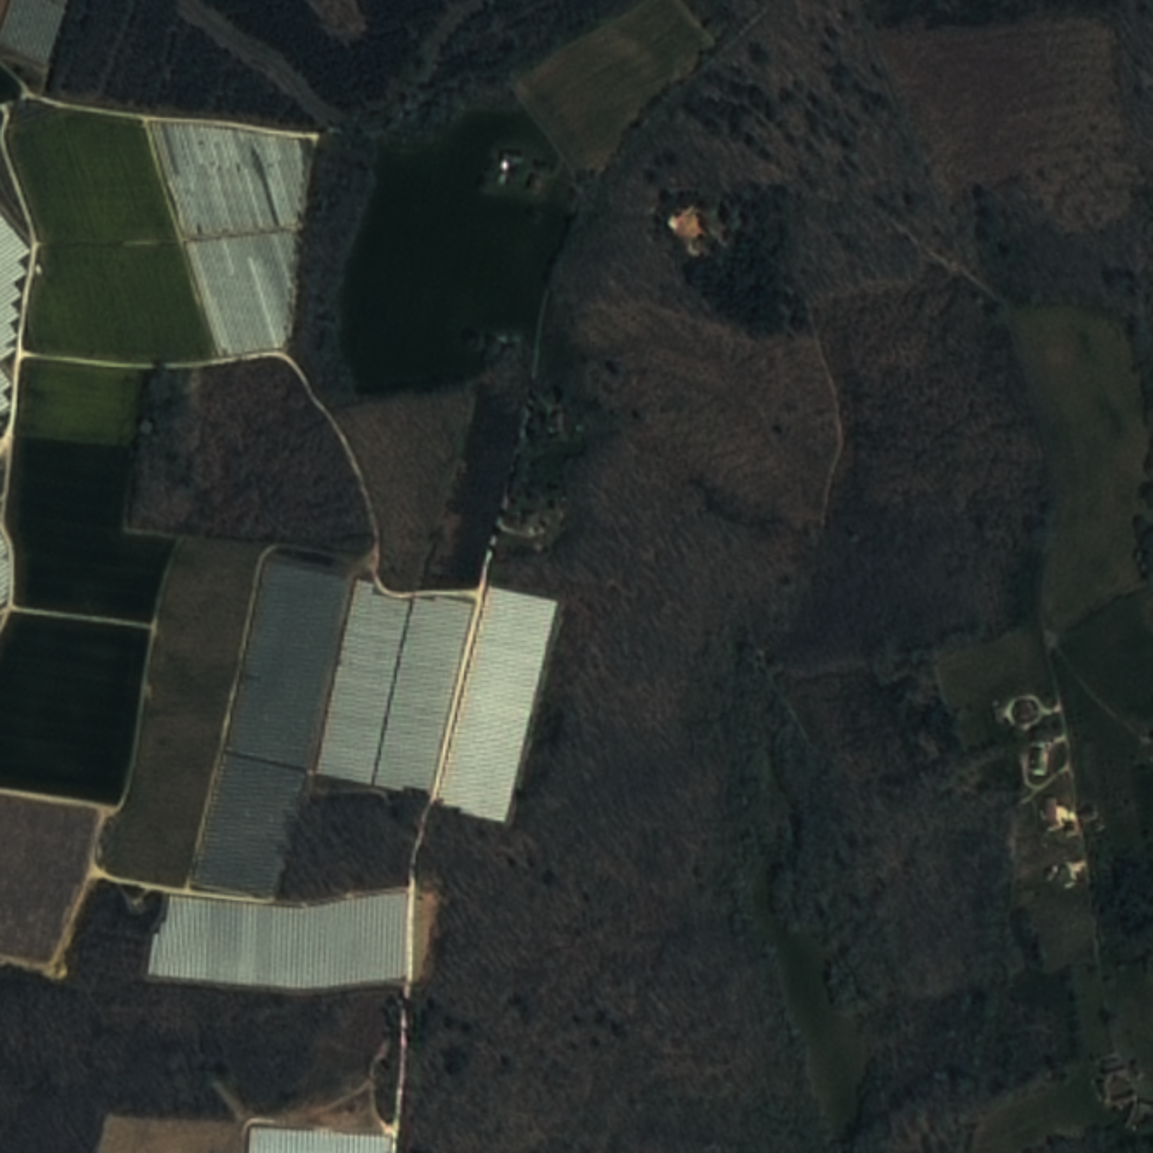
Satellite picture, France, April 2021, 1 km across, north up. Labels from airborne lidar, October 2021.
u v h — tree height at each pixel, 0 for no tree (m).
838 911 17
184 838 0
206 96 11
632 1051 11
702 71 13
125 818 0
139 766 0
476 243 0
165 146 0
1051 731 8
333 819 15
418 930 0
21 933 0
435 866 11
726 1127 21
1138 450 0
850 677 7
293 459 7
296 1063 7
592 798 20
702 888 17
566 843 12
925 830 20
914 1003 8
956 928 15
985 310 7
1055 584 0
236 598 0
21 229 0
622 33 0
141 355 0
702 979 14
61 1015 7
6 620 0
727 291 15
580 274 10
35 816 0
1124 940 8
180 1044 9
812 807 22
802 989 0
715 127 14
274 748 0
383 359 0
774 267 12
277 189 0
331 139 13
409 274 0
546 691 0
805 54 14
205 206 0
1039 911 0
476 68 13
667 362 6
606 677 17
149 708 0
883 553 10
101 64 11
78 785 0
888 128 14
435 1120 15
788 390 6
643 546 13
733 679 15
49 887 0
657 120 13
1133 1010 0
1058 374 0
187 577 0
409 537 18
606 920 7
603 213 9
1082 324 0
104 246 0
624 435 11
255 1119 0
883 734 7
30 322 0
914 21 0
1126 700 0
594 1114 13
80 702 0
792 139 13
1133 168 20
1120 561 0
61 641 0
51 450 0
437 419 22
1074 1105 0
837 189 15
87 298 0
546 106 0
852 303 7
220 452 7
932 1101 22
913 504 10
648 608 12
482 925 13
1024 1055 10
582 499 12
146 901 7
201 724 0
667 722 14
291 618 0
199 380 0
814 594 11
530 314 0
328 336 13
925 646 14
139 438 7
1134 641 0
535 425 6
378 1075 12
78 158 0
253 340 0
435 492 21
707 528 13
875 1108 6
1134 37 14
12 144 0
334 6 10
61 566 0
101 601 0
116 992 7
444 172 0
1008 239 15
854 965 20
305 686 0
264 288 0
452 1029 15
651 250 11
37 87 9
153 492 11
